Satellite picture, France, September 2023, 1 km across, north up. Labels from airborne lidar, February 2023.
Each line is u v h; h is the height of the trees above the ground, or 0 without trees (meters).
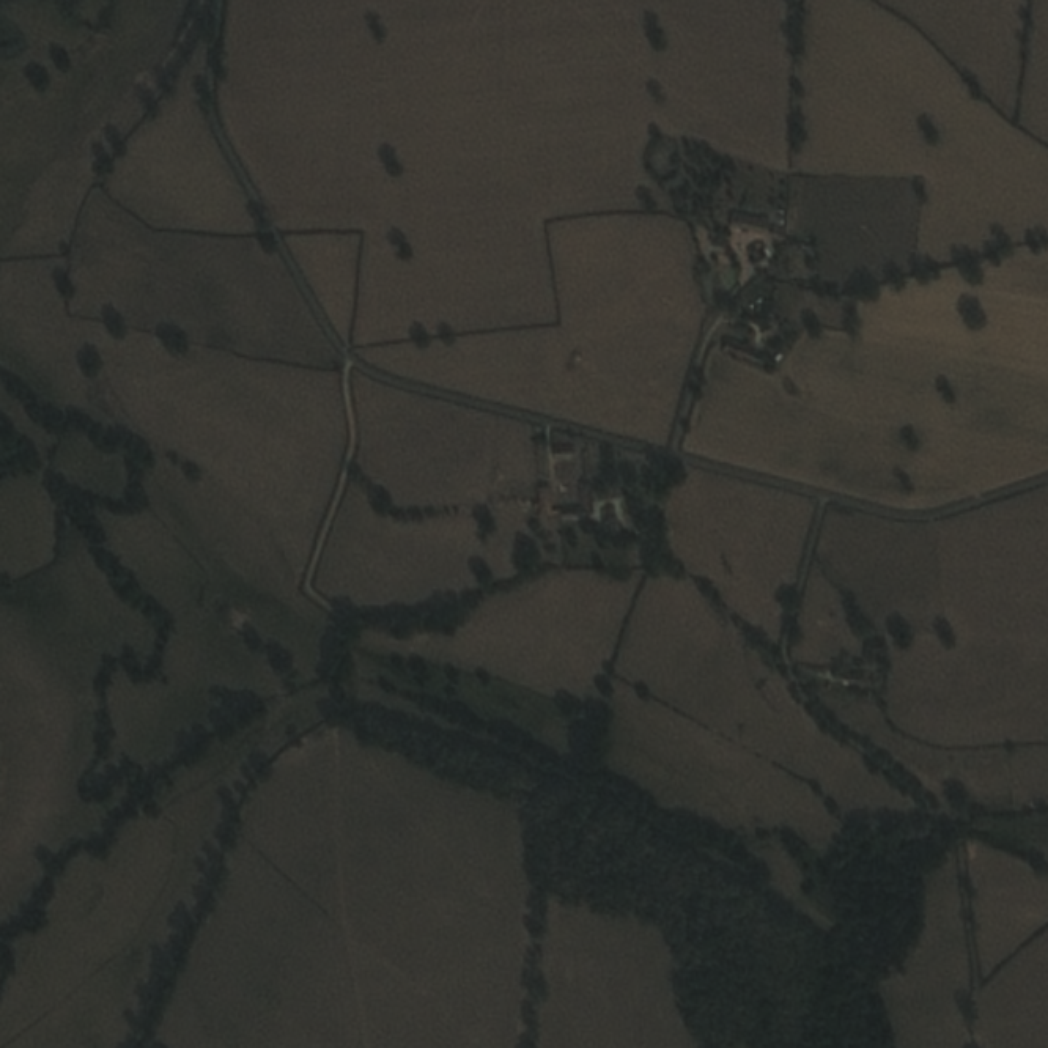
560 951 0
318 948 0
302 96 0
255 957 0
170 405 0
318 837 0
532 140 0
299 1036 0
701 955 16
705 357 0
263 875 0
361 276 0
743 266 0
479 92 0
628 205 0
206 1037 0
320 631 0
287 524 0
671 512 0
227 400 0
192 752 17
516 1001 0
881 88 0
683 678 0
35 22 0
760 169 0
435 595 0
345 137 0
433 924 0
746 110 0
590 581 0
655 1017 0
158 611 13
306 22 0
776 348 7
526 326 0
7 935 13
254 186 0
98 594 0
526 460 0
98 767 0
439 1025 0
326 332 0
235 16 0
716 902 17
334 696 13
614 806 21
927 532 0
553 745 0
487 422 0
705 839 8
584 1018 0
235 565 0
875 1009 17
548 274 0
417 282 0
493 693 0
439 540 0
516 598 0
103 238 0
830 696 0
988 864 0
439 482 0
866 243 0
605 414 0
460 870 0
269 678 0
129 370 0
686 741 0
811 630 0
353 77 0
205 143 0
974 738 0
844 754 0
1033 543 0
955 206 0
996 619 0
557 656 0
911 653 0
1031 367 0
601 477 14
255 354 0
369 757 0
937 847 20
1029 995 0
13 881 0
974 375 0
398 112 0
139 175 0
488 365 0
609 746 0
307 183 0
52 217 0
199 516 0
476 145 0
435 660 0
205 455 0
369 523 0
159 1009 13
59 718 0
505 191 0
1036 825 0
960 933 0
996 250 12
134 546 0
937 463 0
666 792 0
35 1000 0
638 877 20
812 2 0
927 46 0
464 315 0
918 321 0
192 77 0
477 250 0
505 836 0
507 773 20
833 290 7
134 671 16
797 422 0
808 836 0
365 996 0
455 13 0
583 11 0
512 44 0
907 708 0
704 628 0
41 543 0
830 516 0
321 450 0
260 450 0
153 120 0
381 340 0
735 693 0
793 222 0
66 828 0
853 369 0
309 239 0
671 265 0
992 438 0
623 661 0
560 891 15
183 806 0
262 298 0
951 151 0
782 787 0
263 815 0
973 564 0
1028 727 0
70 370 0
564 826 24
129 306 0
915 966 0
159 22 0
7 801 0
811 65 0
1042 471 0
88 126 0
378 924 0
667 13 0
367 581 0
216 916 0
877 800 0
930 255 0
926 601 0
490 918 0
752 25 0
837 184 0
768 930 19
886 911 13
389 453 0
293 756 0
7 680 0
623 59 0
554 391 0
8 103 0
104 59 0
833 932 5
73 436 0
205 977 0
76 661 0
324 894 0
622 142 0
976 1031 0
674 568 12
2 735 0
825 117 0
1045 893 0
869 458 0
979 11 0
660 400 0
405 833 0
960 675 0
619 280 0
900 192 0
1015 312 0
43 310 0
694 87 0
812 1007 14
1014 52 0
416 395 0
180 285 0
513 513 0
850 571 0
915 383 0
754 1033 19
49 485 16
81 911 0
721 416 0
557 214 0
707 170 7
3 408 0
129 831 0
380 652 0
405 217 0
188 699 0
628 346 0
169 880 0
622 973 0
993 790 0
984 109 0
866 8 0
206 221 0
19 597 0
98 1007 0
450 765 19
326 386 0
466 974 0
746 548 0
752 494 0
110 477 0
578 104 0
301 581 0
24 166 0
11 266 0
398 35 0
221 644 0
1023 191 0
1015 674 0
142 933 0
